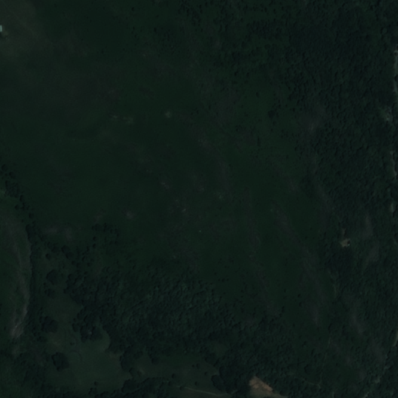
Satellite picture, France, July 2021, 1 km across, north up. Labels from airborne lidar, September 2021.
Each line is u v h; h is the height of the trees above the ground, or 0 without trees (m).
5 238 0
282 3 13
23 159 0
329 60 21
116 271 6
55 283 21
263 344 13
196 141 0
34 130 0
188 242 0
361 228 7
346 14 19
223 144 0
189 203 0
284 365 13
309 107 12
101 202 0
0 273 0
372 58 19
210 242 0
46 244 11
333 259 16
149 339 20
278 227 0
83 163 0
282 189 0
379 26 7
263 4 9
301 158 9
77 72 0
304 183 9
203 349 13
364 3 10
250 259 0
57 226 0
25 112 0
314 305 0
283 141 0
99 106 0
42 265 0
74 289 20
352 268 12
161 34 7
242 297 9
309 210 0
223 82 11
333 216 12
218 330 13
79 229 0
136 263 6
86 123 0
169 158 0
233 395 6
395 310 11
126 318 19
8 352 11
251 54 13
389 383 12
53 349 0
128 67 0
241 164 0
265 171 0
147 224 0
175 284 8
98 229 18
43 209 0
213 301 17
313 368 12
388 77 21
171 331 12
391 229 19
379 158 21
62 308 0
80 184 0
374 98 20
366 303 16
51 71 0
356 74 22
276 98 6
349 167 16
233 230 0
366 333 15
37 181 0
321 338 12
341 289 8
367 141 18
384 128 19
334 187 8
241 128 6
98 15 0
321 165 17
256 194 0
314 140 9
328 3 19
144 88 0
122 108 0
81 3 0
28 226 13
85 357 0
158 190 0
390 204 18
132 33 7
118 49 0
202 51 10
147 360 0
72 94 0
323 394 15
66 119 0
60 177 0
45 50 0
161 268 12
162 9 0
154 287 9
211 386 0
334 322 6
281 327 9
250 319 0
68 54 0
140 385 10
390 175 22
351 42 22
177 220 0
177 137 0
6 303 0
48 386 7
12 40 0
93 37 0
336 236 7
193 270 7
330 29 14
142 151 0
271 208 0
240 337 8
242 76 9
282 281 0
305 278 0
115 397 18
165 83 0
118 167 0
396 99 22
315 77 17
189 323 14
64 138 0
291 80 9
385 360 7
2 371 7
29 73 0
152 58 0
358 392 6
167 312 7
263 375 22
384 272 9
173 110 0
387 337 16
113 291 18
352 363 7
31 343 0
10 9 0
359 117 22
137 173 0
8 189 14
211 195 0
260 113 0
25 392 12
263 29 13
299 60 20
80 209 0
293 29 17
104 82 0
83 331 18
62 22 0
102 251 6
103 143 0
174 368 0
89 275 7
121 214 0
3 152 0
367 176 19
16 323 6
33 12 0
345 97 14
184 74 0
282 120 0
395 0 18
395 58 10
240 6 11
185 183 0
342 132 15
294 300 0
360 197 12
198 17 10
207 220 0
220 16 7
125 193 0
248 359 18
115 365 0
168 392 12
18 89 0
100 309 24
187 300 17
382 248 16
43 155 0
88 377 0
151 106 0
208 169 0
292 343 7
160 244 0
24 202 13
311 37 18
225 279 7
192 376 0
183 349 7
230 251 0
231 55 10
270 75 9
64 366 20
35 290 21
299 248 0
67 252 19
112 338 13
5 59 0
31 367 17
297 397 14
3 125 0
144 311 11
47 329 23
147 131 0
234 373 21
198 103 0
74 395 10
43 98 0
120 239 6
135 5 0
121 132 0
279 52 11
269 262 0
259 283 0
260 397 0
